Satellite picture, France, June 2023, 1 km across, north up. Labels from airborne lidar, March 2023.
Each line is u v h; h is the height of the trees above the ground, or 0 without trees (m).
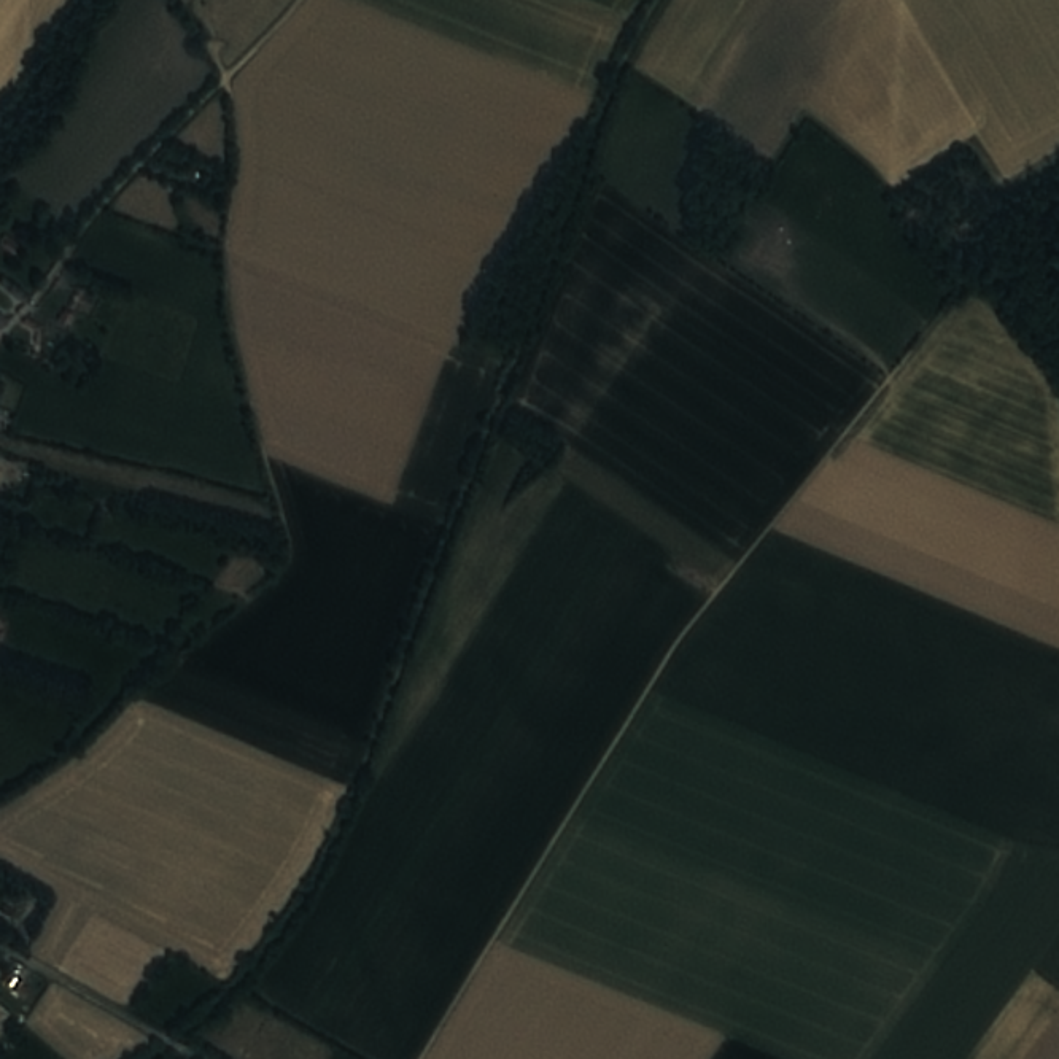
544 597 0
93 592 0
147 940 0
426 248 0
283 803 0
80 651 0
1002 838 0
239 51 0
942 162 13
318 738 0
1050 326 25
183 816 0
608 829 0
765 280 0
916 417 0
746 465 0
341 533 0
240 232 0
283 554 15
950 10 0
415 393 0
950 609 0
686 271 0
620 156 0
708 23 0
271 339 0
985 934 0
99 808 0
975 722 0
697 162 24
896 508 0
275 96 0
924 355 0
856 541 0
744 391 0
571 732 0
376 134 0
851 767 0
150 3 0
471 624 0
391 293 0
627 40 14
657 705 0
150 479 0
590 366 0
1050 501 0
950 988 0
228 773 0
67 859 0
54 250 21
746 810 0
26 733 0
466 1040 0
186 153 12
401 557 0
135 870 0
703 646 0
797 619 0
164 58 0
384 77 0
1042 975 0
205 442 0
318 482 0
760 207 0
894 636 0
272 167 0
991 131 0
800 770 0
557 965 0
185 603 9
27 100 10
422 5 0
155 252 0
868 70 0
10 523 27
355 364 0
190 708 0
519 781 0
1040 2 0
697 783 0
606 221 0
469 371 0
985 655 0
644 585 0
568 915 0
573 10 0
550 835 0
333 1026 0
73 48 21
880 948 0
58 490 16
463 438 0
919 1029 0
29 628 0
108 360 0
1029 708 0
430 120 0
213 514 18
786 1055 0
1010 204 23
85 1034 0
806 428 0
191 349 0
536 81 0
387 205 0
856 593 0
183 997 0
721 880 0
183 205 11
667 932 0
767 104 0
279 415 0
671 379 0
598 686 0
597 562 0
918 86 0
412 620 8
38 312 0
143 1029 0
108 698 0
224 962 0
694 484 0
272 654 0
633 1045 0
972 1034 0
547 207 28
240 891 0
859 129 0
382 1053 0
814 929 0
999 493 0
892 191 12
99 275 16
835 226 0
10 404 0
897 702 0
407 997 0
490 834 0
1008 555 0
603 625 0
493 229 0
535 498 0
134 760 0
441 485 0
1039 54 0
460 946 0
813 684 0
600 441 0
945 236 19
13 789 13
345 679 0
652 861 0
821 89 0
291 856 0
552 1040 0
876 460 0
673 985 0
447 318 0
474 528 0
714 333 0
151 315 0
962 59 0
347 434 0
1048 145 0
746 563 0
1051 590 0
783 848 0
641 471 0
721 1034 0
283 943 8
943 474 0
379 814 0
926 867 0
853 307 0
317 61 0
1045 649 0
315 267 0
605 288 0
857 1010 0
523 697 0
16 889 21
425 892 0
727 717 0
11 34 0
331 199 0
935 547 0
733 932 0
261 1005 10
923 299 0
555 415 0
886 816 0
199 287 0
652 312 0
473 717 0
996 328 0
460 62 0
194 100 13
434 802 0
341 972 0
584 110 0
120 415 0
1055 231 29
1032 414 0
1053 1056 0
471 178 0
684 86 0
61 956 0
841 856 0
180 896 0
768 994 0
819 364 0
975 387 0
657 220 7
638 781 0
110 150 0
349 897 0
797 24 0
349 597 0
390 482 0
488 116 0
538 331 10
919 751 0
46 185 0
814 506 0
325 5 0
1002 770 0
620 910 0
